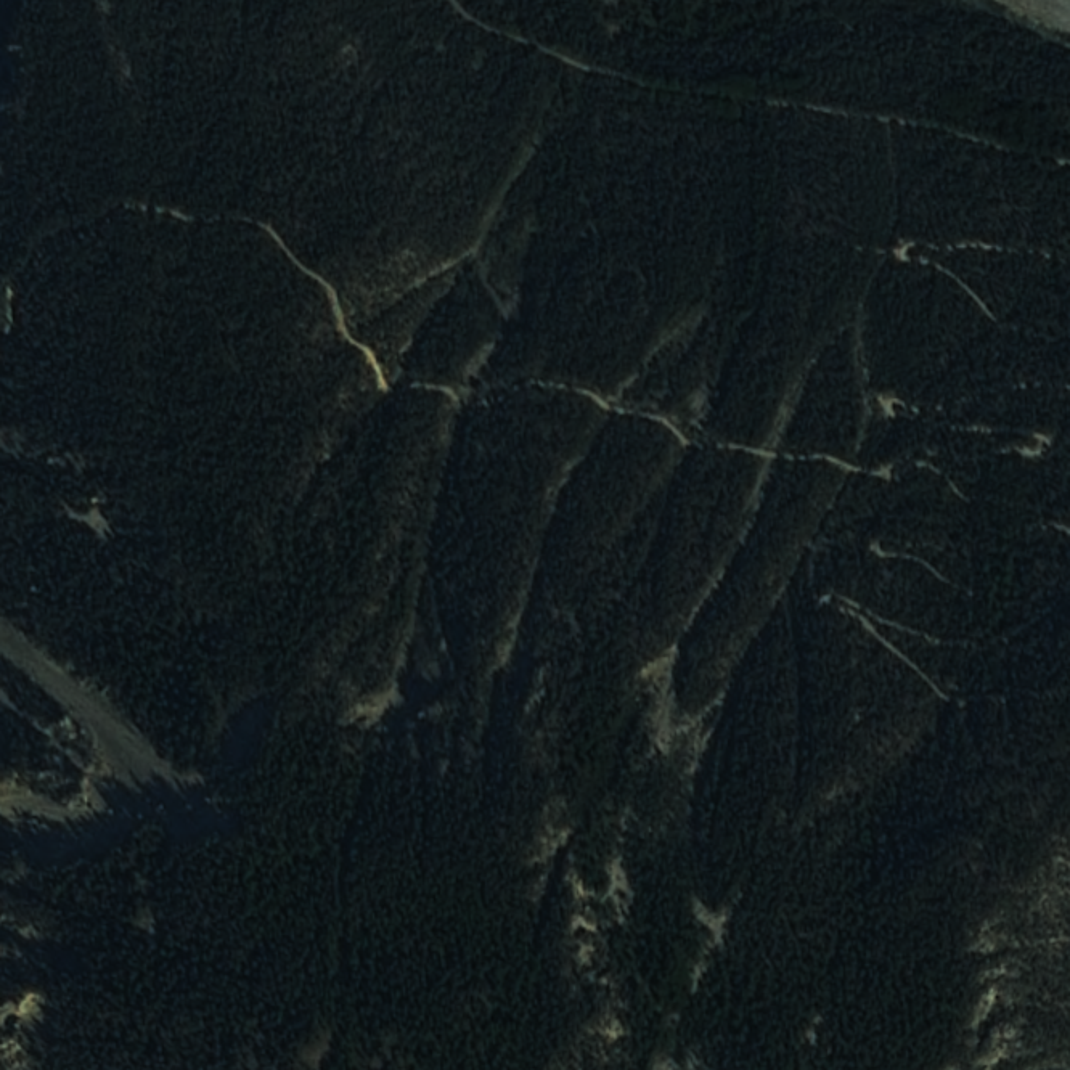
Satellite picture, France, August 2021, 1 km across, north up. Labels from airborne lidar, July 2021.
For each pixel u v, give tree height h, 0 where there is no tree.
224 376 6
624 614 18
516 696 13
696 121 12
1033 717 14
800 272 13
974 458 10
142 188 9
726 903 8
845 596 7
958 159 13
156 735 8
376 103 6
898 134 7
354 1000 19
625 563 10
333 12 9
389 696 0
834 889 14
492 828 13
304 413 13
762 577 8
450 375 7
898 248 8
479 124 10
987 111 13
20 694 10
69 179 11
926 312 8
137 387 14
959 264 11
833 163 10
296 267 14
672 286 6
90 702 0
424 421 10
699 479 10
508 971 18
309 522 15
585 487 10
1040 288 14
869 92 9
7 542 9
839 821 13
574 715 22
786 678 10
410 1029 14
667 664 0
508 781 9
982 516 11
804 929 7
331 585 19
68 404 7
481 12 15
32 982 10
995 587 13
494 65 9
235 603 13
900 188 7
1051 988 10
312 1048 11
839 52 14
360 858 14
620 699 9
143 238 10
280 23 10
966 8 7
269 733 11
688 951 7
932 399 12
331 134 14
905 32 13
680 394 10
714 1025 7
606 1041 11
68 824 0
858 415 13
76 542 7
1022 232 13
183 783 0
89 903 8
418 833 17
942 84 13
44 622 7
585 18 7
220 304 9
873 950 13
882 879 17
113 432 10
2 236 10
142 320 12
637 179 12
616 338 11
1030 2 0
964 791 9
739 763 13
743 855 13
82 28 6
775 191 8
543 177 7
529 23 13
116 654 16
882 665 13
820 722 13
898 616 9
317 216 5
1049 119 12
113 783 0
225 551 10
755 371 13
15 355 10
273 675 12
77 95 12
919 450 8
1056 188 13
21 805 0
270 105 9
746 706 12
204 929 10
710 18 14
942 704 5
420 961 16
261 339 14
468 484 14
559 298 10
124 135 9
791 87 14
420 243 8
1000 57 16
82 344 9
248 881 15
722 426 8
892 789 18
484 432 9
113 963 9
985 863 16
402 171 10
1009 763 8
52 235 11
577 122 7
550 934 14
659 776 10
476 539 9
